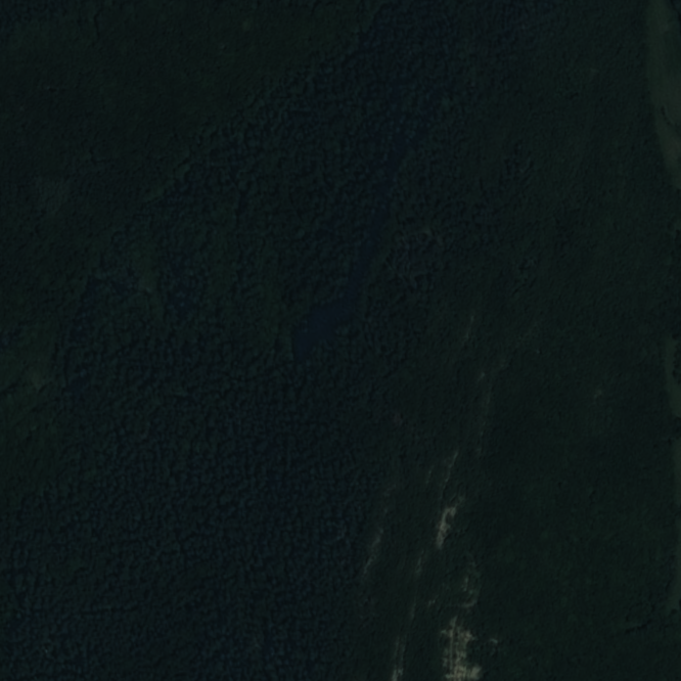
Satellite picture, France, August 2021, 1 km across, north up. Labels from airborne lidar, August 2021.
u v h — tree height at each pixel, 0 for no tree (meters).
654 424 23
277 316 28
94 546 28
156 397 32
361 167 27
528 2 29
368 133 21
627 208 19
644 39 24
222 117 22
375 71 24
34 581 24
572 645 19
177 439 32
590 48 12
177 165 28
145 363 25
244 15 25
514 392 21
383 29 19
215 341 28
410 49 29
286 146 26
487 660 15
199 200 30
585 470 18
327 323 17
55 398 12
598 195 20
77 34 25
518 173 24
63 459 31
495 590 13
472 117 30
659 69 0
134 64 24
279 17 22
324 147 24
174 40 31
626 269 15
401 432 19
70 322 28
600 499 24
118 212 34
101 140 28
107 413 28
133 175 37
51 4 28
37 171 40
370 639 27
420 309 18
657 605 20
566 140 9
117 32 23
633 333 22
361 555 14
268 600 30
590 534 20
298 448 22
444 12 30
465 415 14
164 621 30
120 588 27
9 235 33
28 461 35
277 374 28
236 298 37
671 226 16
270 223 31
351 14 30
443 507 15
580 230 23
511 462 20
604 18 8
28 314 26
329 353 17
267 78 20
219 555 31
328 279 27
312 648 25
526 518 20
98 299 26
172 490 30
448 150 32
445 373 13
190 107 29
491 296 19
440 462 8
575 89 17
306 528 21
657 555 20
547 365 21
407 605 15
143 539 15
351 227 30
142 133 28
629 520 25
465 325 12
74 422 30
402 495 14
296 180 25
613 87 15
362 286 25
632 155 20
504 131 11
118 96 24
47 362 8
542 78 12
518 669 23
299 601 32
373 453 22
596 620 23
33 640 27
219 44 23
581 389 16
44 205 39
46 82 29
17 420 36
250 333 19
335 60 19
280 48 23
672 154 0
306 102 20
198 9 29
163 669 31
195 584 28
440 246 25
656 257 15
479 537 25
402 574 15
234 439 23
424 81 30
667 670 24
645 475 23
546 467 22
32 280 28
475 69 22
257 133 26
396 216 19
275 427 30
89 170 38
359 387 24
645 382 23
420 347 14
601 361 19
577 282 16
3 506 30
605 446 22
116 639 31
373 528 8
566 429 20
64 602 21
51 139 34
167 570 28
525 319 16
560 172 9
